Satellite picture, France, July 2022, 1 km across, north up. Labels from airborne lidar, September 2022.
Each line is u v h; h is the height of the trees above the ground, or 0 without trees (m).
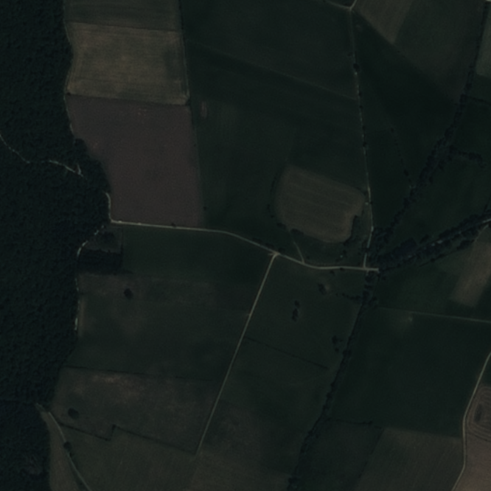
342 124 0
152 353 0
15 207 16
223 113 0
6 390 18
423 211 0
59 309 18
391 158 0
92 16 0
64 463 0
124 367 0
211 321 0
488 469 0
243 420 0
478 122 0
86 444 0
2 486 19
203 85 0
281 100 0
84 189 17
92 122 0
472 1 0
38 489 20
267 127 0
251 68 0
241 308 0
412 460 0
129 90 0
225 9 0
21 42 15
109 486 0
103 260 8
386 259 19
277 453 0
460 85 0
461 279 0
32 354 15
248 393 0
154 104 0
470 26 0
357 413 0
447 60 0
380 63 0
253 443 0
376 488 0
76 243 13
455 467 0
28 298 15
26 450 20
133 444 0
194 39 0
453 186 0
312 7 0
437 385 0
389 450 0
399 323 0
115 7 0
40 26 20
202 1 0
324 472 0
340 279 0
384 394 0
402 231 0
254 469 0
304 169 0
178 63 0
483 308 0
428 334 0
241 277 0
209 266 0
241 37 0
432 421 0
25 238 15
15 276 16
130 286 0
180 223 0
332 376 0
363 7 0
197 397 0
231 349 0
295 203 0
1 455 19
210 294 0
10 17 14
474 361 0
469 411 0
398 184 0
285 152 0
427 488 0
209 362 0
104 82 0
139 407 0
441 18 0
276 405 0
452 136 17
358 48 0
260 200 0
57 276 15
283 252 9
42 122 13
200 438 0
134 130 0
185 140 0
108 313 0
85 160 11
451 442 0
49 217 16
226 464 0
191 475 0
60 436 0
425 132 0
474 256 0
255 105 0
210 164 0
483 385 0
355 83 0
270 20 0
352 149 0
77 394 0
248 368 0
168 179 0
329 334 0
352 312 0
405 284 0
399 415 0
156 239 0
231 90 0
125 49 0
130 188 0
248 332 0
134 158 0
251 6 0
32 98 15
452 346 0
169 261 0
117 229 0
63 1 12
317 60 0
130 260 0
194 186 0
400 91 0
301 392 0
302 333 0
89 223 16
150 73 0
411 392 0
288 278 0
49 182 16
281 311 0
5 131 18
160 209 0
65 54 17
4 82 15
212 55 0
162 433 0
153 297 0
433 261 13
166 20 0
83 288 0
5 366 13
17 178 19
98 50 0
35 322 17
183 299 0
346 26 0
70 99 0
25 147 17
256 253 0
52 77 15
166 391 0
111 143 0
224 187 0
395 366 0
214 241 0
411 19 0
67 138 12
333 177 0
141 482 0
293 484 18
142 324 0
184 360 0
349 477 0
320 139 0
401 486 0
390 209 0
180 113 0
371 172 0
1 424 17
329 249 0
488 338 0
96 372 0
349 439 0
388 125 0
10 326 15
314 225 0
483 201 0
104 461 0
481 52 0
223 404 0
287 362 0
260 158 0
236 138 0
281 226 11
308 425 0
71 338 16
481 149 0
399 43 0
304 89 0
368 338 0
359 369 0
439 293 0
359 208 0
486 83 0
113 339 0
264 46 0
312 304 0
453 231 10
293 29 0
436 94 0
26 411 21
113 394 0
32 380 16
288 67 0
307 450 6
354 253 0
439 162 7
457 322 0
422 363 0
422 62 0
